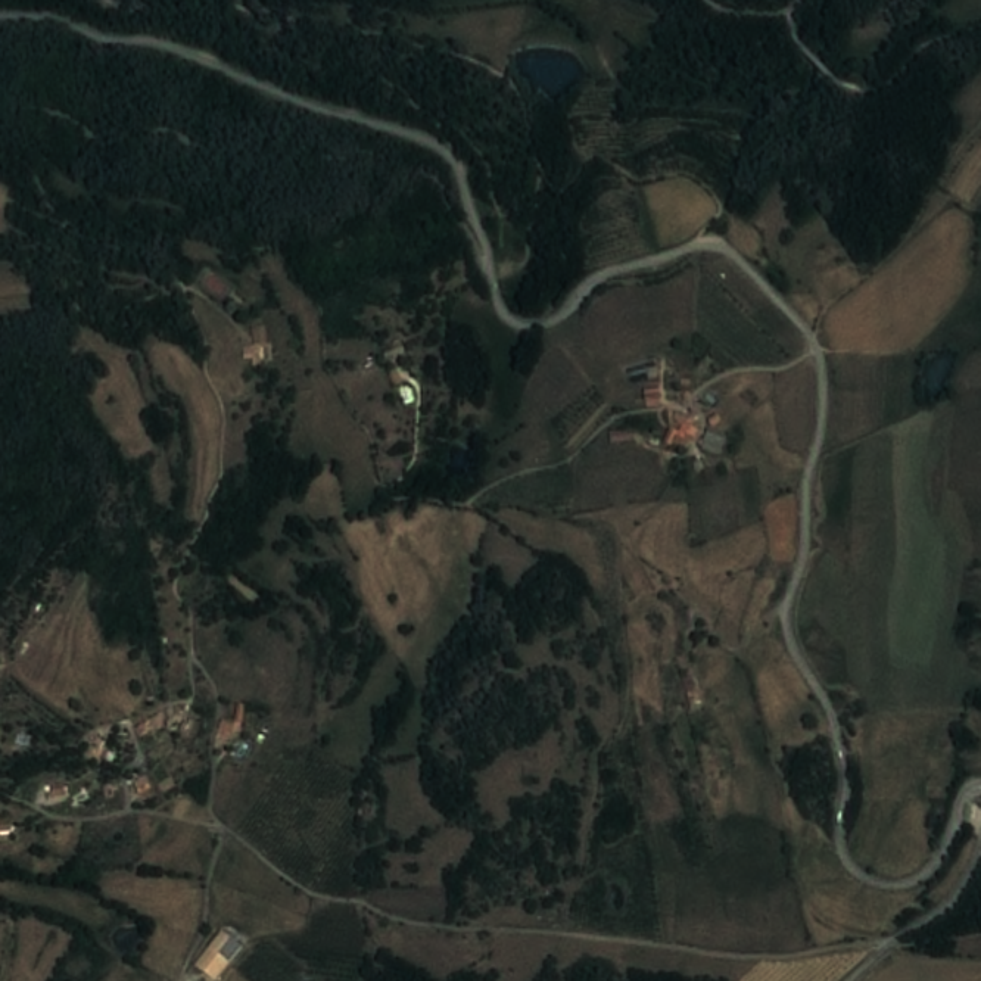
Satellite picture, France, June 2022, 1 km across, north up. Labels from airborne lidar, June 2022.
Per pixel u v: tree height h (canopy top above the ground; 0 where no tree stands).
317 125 12
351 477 0
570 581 9
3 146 14
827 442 0
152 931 15
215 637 0
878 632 0
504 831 7
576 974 9
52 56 19
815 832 0
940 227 0
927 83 16
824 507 0
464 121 18
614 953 0
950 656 0
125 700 0
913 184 15
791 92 17
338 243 10
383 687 0
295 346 10
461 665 9
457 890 11
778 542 0
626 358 0
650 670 0
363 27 24
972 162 0
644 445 0
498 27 0
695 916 0
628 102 23
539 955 0
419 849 8
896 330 0
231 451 0
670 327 0
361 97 17
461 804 11
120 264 11
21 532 14
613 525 0
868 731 0
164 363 0
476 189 13
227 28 20
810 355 0
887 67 16
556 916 0
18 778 9
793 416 0
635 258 0
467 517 0
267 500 16
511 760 0
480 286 13
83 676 0
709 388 0
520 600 10
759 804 0
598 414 0
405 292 7
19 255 14
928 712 0
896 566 0
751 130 20
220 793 0
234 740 0
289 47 13
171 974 0
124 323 11
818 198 24
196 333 14
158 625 6
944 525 0
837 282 0
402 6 28
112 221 6
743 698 0
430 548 0
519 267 0
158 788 0
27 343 18
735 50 20
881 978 0
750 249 0
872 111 20
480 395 16
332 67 13
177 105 14
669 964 0
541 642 0
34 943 0
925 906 11
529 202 16
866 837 0
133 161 21
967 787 0
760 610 0
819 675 0
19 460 14
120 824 0
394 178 14
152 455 8
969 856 0
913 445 0
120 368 0
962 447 0
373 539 0
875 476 0
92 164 18
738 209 11
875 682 0
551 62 0
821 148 17
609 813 8
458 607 0
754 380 0
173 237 12
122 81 19
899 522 0
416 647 0
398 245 6
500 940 0
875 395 0
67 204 10
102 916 0
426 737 10
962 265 0
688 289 0
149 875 10
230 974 0
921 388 10
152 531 10
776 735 0
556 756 0
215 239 18
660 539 0
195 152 11
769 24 13
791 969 0
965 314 0
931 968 0
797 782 7
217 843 7
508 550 0
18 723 6
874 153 14
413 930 0
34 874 11
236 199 14
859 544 0
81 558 10
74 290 8
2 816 5
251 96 18
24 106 15
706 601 0
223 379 0
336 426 0
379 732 10
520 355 18
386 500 14
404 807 0
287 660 0
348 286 10
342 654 9
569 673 8
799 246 0
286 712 0
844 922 0
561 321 0
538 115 10
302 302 0
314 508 0
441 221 12
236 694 0
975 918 11
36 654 0
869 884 0
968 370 0
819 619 0
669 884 0
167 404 11
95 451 15
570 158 22
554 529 0
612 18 0
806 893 0
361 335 6
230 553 12
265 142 14
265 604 11
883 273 0
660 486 0
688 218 0
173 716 0
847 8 14
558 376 0
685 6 12
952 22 11
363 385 0
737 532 0
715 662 0
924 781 0
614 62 0
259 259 11
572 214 13
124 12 19
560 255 22
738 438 0
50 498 12
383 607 0
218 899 0
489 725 9
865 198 14
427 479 15
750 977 0
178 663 0
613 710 0
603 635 6
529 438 0
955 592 0
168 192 15
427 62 20
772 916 0
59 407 16
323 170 18
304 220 14
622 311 0
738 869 0
